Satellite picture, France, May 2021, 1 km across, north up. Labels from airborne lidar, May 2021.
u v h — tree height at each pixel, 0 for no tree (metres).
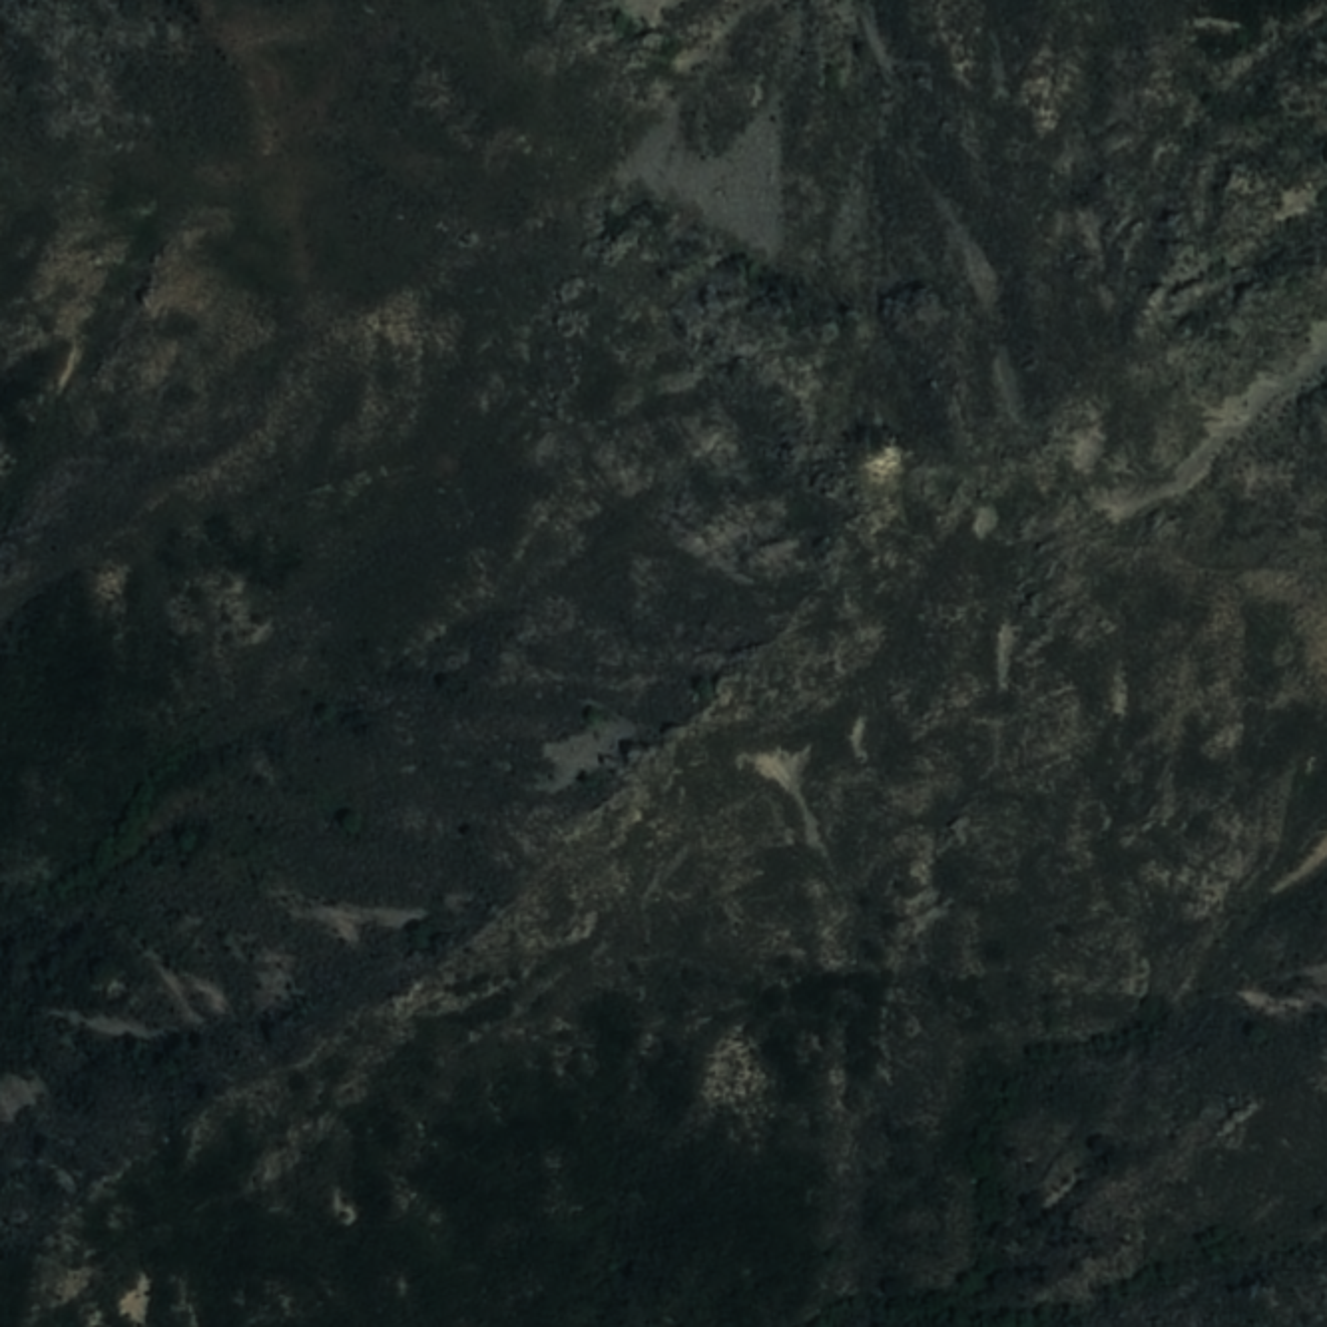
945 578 0
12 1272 6
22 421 6
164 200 0
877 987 6
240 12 0
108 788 7
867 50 16
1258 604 0
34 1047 6
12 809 7
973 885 0
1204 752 0
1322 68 7
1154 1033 7
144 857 8
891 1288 17
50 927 6
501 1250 6
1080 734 0
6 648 10
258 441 0
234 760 6
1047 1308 14
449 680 11
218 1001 0
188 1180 8
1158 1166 0
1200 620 0
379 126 0
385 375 0
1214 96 14
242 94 0
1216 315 10
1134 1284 15
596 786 6
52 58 0
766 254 0
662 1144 6
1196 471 0
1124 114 0
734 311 14
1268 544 0
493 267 0
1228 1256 12
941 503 0
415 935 12
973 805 0
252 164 0
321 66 0
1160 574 0
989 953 7
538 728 0
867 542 0
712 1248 6
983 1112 12
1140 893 0
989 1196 20
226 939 10
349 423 0
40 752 8
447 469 0
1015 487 0
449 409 0
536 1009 8
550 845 0
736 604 0
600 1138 8
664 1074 8
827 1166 6
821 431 0
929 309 0
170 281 0
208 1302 8
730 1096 0
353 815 14
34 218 0
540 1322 7
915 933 0
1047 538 0
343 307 0
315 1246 8
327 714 14
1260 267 12
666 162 0
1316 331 0
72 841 6
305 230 0
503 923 7
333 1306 5
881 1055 6
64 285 0
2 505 6
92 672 8
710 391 0
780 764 0
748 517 0
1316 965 0
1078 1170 6
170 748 6
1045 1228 15
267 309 0
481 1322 8
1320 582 0
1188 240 10
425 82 0
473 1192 8
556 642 0
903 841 0
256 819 9
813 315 8
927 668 0
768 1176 5
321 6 0
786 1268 6
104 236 0
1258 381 0
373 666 5
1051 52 0
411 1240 6
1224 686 0
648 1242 7
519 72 0
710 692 12
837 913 0
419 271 0
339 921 0
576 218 0
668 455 0
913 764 0
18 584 0
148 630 6
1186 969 0
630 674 0
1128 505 0
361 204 0
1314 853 0
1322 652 0
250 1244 5
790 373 0
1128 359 0
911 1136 6
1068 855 0
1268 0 6
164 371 0
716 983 7
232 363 0
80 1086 7
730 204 0
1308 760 0
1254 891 0
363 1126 5
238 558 6
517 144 0
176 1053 16
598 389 0
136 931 10
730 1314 13
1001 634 0
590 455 0
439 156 0
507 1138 9
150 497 0
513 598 0
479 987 8
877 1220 8
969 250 0
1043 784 0
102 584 0
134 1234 6
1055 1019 8
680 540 0
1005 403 0
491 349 0
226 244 0
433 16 0
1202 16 7
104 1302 6
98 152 0
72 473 0
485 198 0
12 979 18
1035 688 0
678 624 0
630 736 0
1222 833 0
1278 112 9
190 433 0
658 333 0
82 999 7
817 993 9
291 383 0
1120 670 0
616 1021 7
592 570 0
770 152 0
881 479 0
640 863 0
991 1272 17
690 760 0
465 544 0
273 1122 6
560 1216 6
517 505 0
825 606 0
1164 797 0
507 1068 7
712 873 0
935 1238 6
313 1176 6
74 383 0
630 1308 12
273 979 0
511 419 0
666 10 5
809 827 0
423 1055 7
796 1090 7
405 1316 6
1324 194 9
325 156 0
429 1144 6
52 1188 6
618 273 0
